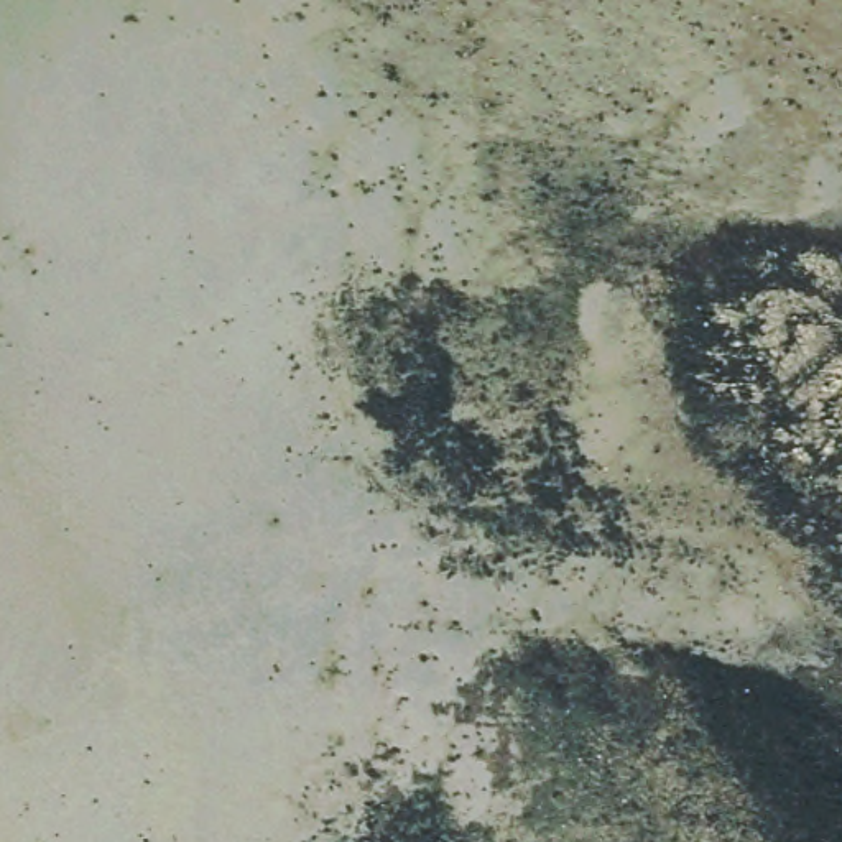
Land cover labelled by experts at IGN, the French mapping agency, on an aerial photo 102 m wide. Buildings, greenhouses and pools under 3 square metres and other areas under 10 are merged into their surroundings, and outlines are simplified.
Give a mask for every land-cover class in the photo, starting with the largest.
<instances>
[{"label":"bare soil","instance_id":"1","mask_svg":"<svg viewBox=\"0 0 842 842\"><path fill-rule=\"evenodd\" d=\"M720 220H806L812 227L842 224V0H0V842H763V835L753 829V796L733 776L730 756L710 743L707 727L694 717L697 710L691 707V697L678 671L691 655H707L724 664H756L773 668L780 674L789 671L799 684L822 694L826 704L842 701V612H835L822 599H809L812 549L793 546L766 526V516L756 510V500H750V483L717 477V470L704 457L691 454L684 441L687 411L681 395H674L671 388V368L664 365L661 339L674 309L668 306L664 276L655 266L674 263L681 257V243L701 240ZM434 339L457 362L451 368V418L474 421L480 434L497 437L503 451V460H497L503 480L483 487L474 500L460 497L447 483L441 467L431 460H414L408 470L395 474V464L385 457V451L395 444L391 431H382L359 408V401L368 391L398 395L408 385V372H395L391 355L408 352L411 362H424L418 345ZM803 270H809L819 286H829L832 293L842 289V263L822 253L799 257ZM826 303L796 289H766L756 296H740L730 306H717L704 326H740L760 319L763 329L760 335H753V345L770 349V368L776 372V378H789L835 335L819 326H799L796 349L786 352V316L806 309L819 312ZM809 408L803 424H789L796 431L793 460L809 464L806 444H816L829 457L842 447V359L826 365L816 382L803 385L796 391V401L789 405Z\"/></svg>","mask_w":842,"mask_h":842},{"label":"herbaceous vegetation","instance_id":"2","mask_svg":"<svg viewBox=\"0 0 842 842\"><path fill-rule=\"evenodd\" d=\"M822 253L842 263V224L812 227L806 220H720L701 240L681 243V257L674 263L655 266L664 276L668 306L674 309L661 339L664 365L671 368V388L674 395H681L687 411L684 441L691 454L704 457L717 470V477L750 483V500H756V510L766 516V526L793 546L812 549L809 599H822L835 612H842V447L829 457L816 444H806L809 464L793 460L796 431L789 424H803L809 408L789 405L796 401V391L803 385L816 382L826 365L842 359V289L832 293L829 286H819L809 270H803L799 257ZM766 289H796L826 303L819 312L806 309L786 316V352L796 349L799 326H819L835 335L789 378H776V372L770 368V349L753 345V335H760L763 329L760 319L740 326H704L717 306H730L740 296H756ZM424 362H411L408 352L391 355L395 372H408V385L398 395L368 391L359 401V408L382 431H391L395 444L385 451V457L395 464V474L408 470L414 460H431L441 467L447 483L460 497L474 500L483 487L503 480L497 460H503V451L497 437L480 434L474 421L451 418V368L457 362L434 339L418 345ZM691 697V707L697 710L694 717L707 727L710 743L730 756L733 776L753 796V829L763 835V842H842V701L826 704L822 694L799 684L789 671L780 674L773 668L756 664H724L707 655H691L678 671Z\"/></svg>","mask_w":842,"mask_h":842}]
</instances>
